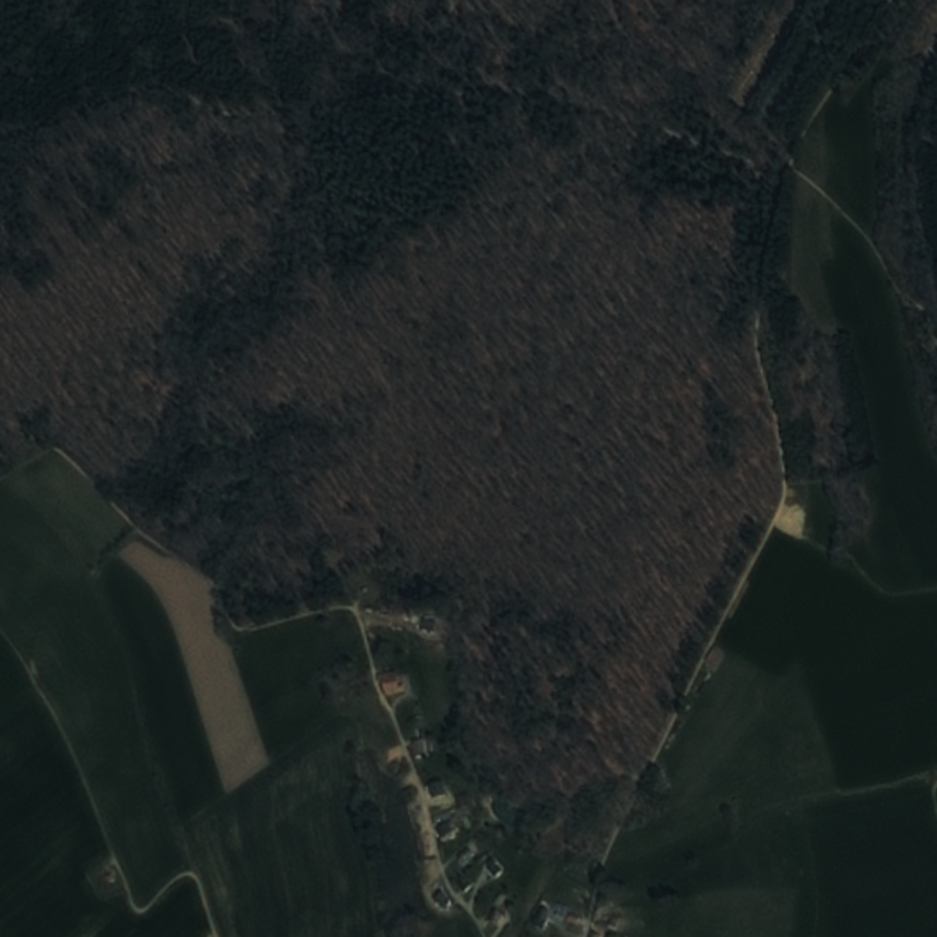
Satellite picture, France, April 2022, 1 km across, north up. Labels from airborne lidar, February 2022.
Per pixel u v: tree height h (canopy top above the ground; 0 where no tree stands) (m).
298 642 0
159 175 26
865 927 0
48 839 0
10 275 29
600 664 17
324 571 24
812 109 33
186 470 23
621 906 0
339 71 21
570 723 13
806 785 0
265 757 0
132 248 22
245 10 10
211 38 18
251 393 27
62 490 0
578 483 28
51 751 0
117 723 0
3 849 0
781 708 0
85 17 21
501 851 0
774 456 23
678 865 0
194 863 0
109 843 0
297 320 24
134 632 0
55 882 0
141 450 24
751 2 23
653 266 26
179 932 0
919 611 0
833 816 0
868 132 0
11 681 0
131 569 0
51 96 18
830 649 0
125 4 19
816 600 0
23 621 0
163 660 0
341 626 0
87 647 0
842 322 0
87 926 0
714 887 0
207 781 0
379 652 14
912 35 29
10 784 0
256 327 27
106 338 26
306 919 0
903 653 0
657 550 27
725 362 28
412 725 9
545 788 27
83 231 24
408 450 26
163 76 19
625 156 27
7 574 0
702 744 0
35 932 0
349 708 0
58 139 24
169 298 24
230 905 0
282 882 0
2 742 0
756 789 0
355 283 17
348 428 24
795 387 9
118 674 0
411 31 9
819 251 0
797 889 0
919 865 0
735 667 0
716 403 27
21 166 23
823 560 0
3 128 22
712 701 0
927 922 0
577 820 15
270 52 26
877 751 0
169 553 22
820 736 0
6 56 27
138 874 0
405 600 7
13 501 0
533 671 23
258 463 27
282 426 29
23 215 33
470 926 0
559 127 28
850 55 31
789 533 0
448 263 21
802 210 0
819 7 29
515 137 28
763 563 0
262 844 0
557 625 23
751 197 28
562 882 0
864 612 0
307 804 0
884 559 0
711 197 29
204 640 0
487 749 27
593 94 26
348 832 0
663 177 27
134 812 0
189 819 0
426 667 0
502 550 26
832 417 26
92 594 0
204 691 0
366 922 0
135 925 0
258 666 0
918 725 0
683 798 0
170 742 0
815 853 0
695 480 26
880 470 29
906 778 0
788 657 0
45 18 34
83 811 0
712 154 25
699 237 27
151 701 0
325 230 24
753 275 26
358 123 29
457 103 25
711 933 0
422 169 32
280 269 15
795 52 28
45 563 0
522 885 0
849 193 0
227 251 23
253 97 24
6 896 0
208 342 22
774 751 0
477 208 24
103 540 0
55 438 27
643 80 27
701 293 29
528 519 27
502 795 23
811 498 0
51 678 0
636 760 28
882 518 0
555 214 25
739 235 19
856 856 0
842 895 0
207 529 24
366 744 0
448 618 26
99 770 0
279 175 28
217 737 0
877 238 10
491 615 22
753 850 0
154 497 19
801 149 23
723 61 32
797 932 0
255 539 29
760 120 24
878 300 0
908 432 0
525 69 27
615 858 0
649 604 22
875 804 0
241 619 11
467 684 24
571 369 28
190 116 16
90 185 23
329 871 0
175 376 26
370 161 32
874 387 0
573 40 25
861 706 0
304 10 30
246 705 0
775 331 14
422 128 33
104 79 20
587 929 0
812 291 0
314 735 0
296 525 28
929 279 25
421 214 29
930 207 18
